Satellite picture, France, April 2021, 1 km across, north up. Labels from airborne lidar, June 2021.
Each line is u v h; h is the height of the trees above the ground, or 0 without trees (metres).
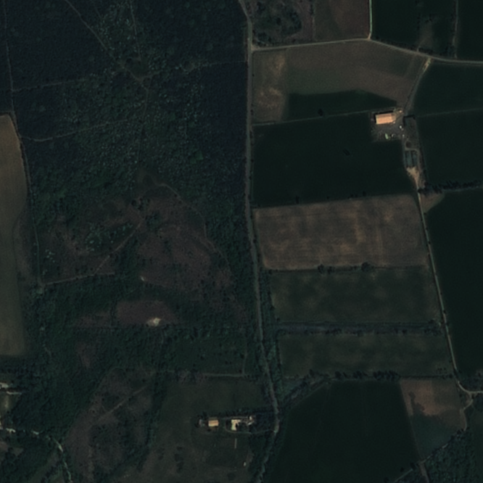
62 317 7
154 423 15
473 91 0
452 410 0
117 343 6
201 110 7
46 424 20
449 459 16
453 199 0
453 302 0
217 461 0
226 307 8
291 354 0
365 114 0
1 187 0
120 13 10
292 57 0
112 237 8
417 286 0
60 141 7
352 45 0
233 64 5
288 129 0
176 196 9
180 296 6
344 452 0
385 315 0
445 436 0
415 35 0
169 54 10
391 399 0
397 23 0
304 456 0
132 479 0
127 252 10
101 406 0
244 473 0
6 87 5
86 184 11
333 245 0
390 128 0
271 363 13
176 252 0
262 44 9
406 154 0
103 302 9
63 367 13
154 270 0
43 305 18
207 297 9
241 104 8
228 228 17
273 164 0
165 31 6
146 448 6
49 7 7
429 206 0
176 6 7
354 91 0
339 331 14
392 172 0
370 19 0
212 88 7
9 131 0
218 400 0
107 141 10
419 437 0
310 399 0
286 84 0
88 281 8
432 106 0
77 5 7
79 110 6
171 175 6
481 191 0
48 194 13
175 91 8
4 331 0
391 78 0
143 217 6
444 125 0
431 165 0
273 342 12
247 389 0
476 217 0
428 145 0
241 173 7
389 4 0
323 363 0
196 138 6
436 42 0
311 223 0
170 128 10
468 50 0
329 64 0
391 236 0
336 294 0
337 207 0
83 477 8
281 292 0
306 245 0
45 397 13
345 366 0
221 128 7
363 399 0
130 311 0
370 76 0
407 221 0
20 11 6
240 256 11
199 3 9
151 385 0
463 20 0
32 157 6
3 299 0
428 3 0
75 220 12
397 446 0
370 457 0
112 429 0
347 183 0
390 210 0
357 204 0
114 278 12
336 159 0
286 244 0
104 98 8
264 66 0
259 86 0
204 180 5
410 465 0
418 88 0
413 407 0
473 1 0
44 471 0
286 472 0
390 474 0
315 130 0
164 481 0
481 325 0
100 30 6
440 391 0
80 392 7
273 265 0
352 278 0
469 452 7
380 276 0
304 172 0
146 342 8
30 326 7
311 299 0
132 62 9
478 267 0
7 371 6
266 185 0
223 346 9
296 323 0
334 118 0
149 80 7
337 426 0
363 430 0
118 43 8
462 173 0
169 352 8
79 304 8
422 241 0
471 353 0
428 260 0
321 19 0
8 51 6
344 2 0
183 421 0
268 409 6
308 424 0
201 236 0
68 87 6
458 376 17
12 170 0
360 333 10
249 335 11
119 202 0
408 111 0
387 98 0
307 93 0
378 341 0
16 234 0
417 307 0
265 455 10
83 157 6
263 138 0
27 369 9
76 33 6
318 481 0
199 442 0
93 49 6
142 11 6
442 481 11
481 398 10
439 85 0
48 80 11
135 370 6
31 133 7
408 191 0
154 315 0
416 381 0
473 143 0
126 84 8
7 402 0
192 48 8
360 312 0
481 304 0
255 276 13
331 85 0
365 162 0
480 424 0
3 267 0
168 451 0
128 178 6
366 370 0
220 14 5
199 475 0
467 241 0
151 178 0
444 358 0
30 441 11
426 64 0
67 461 13
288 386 0
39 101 7
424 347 0
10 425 10
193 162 11
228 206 9
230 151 9
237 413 8
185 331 10
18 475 10
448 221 0
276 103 0
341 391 0
